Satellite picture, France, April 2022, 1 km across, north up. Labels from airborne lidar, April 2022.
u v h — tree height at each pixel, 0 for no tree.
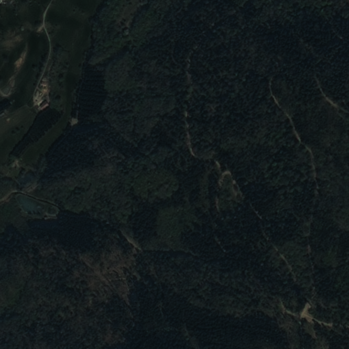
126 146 18
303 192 28
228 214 15
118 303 32
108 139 9
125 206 22
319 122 16
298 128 18
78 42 0
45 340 24
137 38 18
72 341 26
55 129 0
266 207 20
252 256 29
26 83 0
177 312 24
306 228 25
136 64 14
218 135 27
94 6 0
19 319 28
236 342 17
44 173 11
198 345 24
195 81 28
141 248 18
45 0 0
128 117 24
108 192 27
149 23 20
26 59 0
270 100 28
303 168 29
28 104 0
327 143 16
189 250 18
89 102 12
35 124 10
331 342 25
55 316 27
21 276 22
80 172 21
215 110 30
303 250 25
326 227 16
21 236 21
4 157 0
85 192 18
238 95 28
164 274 25
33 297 19
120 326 30
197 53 16
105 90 13
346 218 16
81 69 12
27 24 0
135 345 29
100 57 24
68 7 0
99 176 20
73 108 10
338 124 18
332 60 28
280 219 25
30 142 13
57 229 21
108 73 23
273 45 34
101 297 28
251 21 30
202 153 21
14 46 0
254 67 29
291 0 33
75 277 26
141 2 9
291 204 22
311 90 28
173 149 23
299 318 23
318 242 18
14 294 18
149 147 12
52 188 13
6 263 20
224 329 24
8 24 0
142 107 22
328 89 27
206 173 30
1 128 0
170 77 27
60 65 21
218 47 14
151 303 29
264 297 24
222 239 23
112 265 10
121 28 17
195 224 8
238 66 30
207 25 15
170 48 15
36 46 0
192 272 10
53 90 20
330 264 15
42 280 25
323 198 21
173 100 29
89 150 15
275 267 31
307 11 26
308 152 14
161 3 17
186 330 19
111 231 9
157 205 39
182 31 30
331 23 7
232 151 10
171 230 14
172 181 11
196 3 15
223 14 32
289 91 14
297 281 25
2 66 0
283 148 28
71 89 0
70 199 22
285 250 22
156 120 23
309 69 30
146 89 21
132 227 13
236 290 19
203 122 13
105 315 7
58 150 15
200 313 22
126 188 20
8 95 0
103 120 8
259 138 28
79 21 0
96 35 20
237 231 21
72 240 20
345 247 16
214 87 30
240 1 27
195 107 15
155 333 25
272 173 16
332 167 14
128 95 14
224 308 20
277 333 20
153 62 22
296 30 30
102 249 7
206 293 22
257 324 24
